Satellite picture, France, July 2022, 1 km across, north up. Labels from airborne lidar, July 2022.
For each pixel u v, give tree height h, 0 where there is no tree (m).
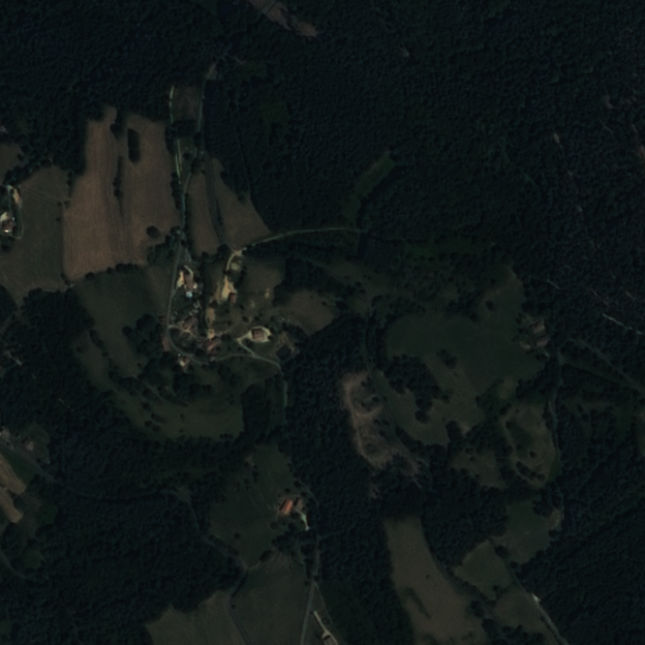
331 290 8
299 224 10
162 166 0
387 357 8
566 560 16
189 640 0
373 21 23
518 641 12
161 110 22
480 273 11
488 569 0
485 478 0
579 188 27
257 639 0
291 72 24
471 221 20
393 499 24
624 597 17
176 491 19
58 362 10
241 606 0
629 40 25
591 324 26
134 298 0
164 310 0
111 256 0
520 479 18
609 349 18
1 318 25
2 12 18
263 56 24
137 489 14
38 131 20
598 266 24
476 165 17
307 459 21
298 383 22
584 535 8
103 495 13
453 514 27
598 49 21
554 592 8
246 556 0
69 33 17
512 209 15
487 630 19
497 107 23
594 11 17
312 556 18
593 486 24
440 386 6
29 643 26
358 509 31
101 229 0
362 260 22
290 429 22
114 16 15
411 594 0
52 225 0
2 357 26
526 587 17
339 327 11
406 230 25
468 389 0
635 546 9
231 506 0
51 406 9
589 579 13
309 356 6
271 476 0
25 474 0
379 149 27
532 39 22
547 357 10
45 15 10
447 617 0
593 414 13
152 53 28
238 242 0
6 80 14
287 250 9
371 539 23
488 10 22
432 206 27
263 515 0
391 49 23
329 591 0
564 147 16
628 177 15
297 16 26
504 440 7
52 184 0
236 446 14
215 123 23
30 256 0
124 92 23
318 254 28
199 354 18
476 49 23
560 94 27
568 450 27
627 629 17
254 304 0
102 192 0
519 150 28
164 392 15
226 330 0
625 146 26
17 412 31
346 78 25
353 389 0
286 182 24
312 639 0
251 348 12
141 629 16
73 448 29
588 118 14
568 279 25
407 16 20
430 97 29
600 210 23
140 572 18
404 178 31
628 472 18
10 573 6
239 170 26
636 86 26
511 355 0
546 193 43
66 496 30
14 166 0
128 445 26
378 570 23
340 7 23
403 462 19
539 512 19
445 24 24
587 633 29
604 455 21
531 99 37
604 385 14
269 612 0
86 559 24
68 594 18
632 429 9
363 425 0
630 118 25
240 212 0
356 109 23
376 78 23
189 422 0
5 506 0
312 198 18
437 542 26
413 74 21
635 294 26
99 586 19
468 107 21
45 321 9
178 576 18
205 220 0
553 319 21
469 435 9
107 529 16
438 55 25
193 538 18
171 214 0
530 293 20
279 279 0
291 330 30
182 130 16
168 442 8
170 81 25
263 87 26
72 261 0
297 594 0
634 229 26
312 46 25
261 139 22
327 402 27
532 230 20
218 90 31
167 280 0
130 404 0
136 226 0
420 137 19
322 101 25
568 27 21
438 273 7
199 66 27
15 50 14
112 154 0
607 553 12
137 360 0
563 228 20
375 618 11
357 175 24
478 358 0
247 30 21
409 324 0
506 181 23
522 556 0
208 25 34
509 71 27
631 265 21
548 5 28
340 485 32
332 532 31
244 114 23
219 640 0
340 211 18
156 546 16
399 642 16
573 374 20
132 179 0
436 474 20
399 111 25
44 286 0
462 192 23
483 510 30
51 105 17
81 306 8
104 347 12
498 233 17
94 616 21
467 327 0
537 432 0
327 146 33
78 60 15
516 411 0
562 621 11
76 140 21
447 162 19
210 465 13
